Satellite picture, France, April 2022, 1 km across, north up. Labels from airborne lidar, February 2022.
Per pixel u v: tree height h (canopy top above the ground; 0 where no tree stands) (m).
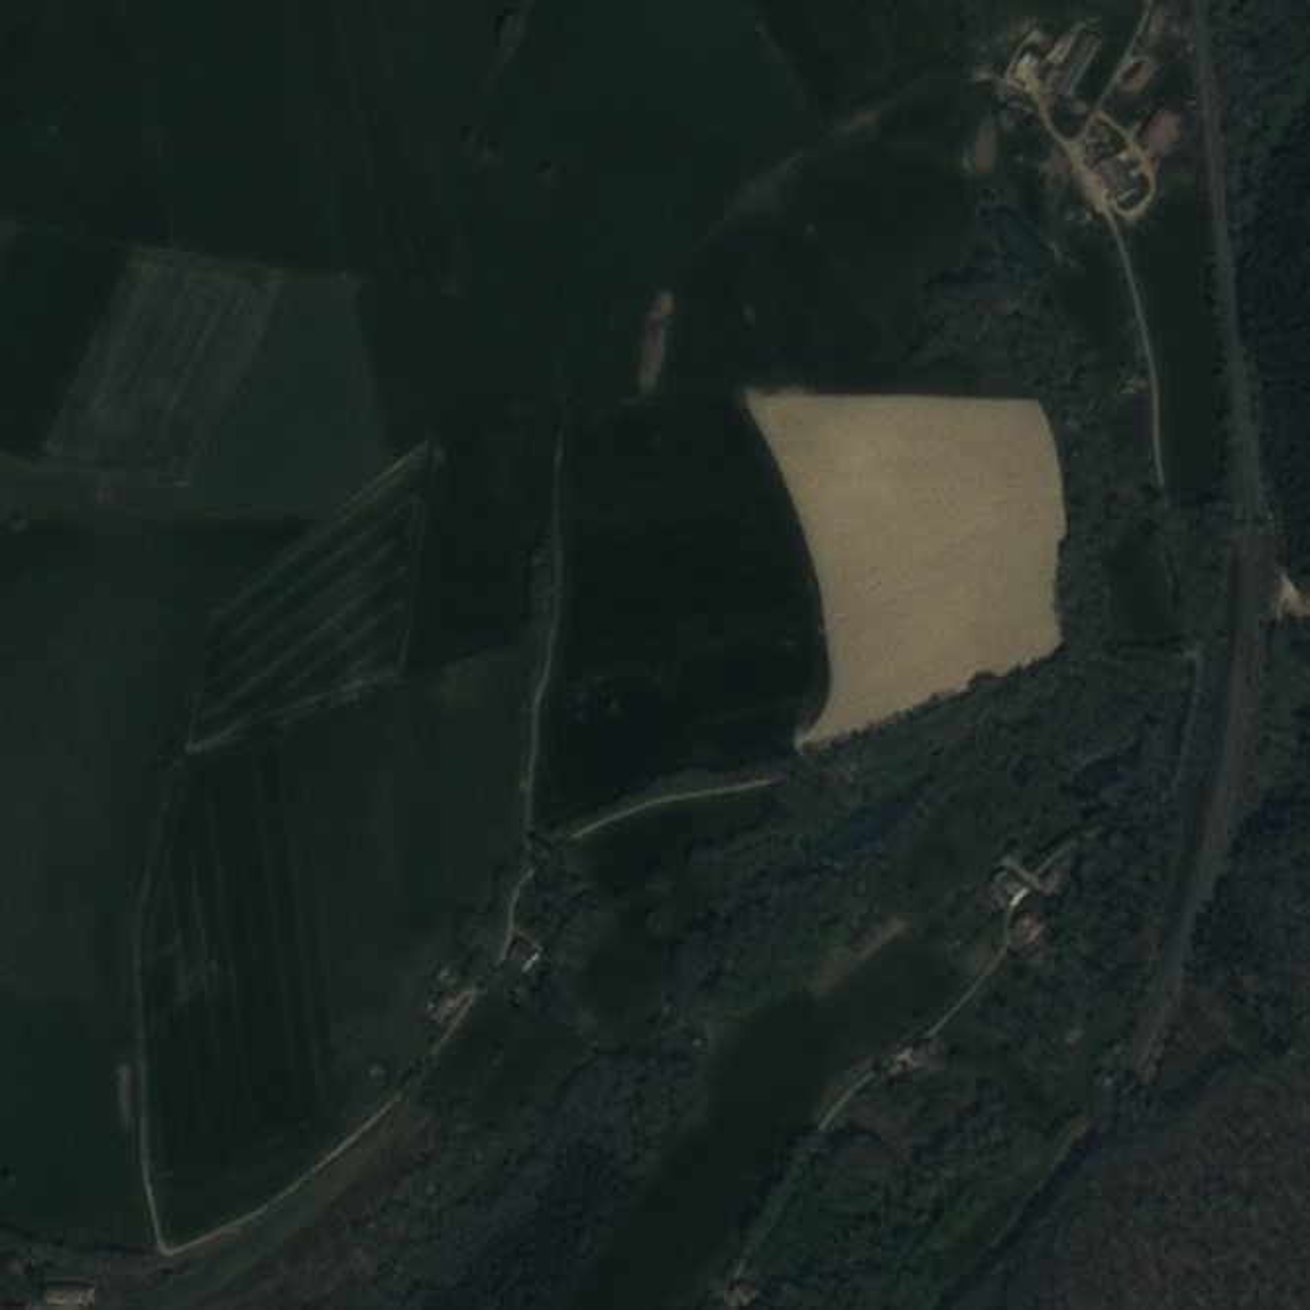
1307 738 28
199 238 0
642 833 0
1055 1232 31
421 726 0
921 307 0
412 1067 0
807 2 0
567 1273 18
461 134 0
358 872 0
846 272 0
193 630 0
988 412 0
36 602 0
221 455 0
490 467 0
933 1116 7
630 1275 0
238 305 0
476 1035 0
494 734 0
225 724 0
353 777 0
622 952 0
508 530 0
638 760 0
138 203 0
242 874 0
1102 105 0
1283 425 19
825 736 0
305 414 0
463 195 0
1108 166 0
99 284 0
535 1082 0
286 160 0
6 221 0
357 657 0
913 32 0
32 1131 0
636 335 0
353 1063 0
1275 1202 30
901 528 0
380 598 0
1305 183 23
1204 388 0
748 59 0
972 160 0
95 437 0
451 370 0
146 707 0
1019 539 0
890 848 20
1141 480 0
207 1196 0
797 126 0
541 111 0
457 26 0
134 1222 0
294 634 0
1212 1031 0
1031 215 0
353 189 0
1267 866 25
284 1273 0
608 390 0
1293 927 27
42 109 0
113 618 0
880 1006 0
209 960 0
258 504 0
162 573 0
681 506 0
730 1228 0
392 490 0
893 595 0
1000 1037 18
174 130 0
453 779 0
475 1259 22
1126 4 0
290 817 0
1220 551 28
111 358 0
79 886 0
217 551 0
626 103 0
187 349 0
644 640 0
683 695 0
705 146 0
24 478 0
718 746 0
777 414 0
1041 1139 19
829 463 0
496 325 0
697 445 0
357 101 0
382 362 0
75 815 0
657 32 0
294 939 0
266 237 0
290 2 0
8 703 0
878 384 0
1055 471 0
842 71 0
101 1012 0
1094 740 30
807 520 0
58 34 0
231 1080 0
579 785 0
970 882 0
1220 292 12
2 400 0
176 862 0
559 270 0
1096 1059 0
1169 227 0
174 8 0
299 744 0
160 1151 0
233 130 0
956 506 0
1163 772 24
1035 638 0
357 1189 0
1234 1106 35
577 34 0
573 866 20
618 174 0
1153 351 0
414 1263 20
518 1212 28
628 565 0
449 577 0
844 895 26
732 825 0
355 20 0
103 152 0
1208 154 13
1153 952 21
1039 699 26
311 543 0
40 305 0
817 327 0
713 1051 0
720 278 0
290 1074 0
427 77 0
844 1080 0
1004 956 0
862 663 0
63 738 0
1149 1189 28
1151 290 0
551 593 12
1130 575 0
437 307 0
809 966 23
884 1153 22
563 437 0
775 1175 0
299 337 0
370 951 0
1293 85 11
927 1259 26
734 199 0
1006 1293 32
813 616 0
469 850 0
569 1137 23
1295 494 20
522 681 0
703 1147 0
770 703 0
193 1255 0
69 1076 0
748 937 26
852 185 0
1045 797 0
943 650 0
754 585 0
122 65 0
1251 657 0
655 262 0
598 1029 0
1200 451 0
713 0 0
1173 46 0
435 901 0
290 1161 0
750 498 0
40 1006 0
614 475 0
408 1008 0
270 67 0
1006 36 0
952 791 25
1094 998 22
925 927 0
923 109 0
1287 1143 30
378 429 0
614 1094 26
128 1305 0
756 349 0
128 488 0
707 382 0
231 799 0
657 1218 0
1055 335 17
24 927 0
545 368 0
